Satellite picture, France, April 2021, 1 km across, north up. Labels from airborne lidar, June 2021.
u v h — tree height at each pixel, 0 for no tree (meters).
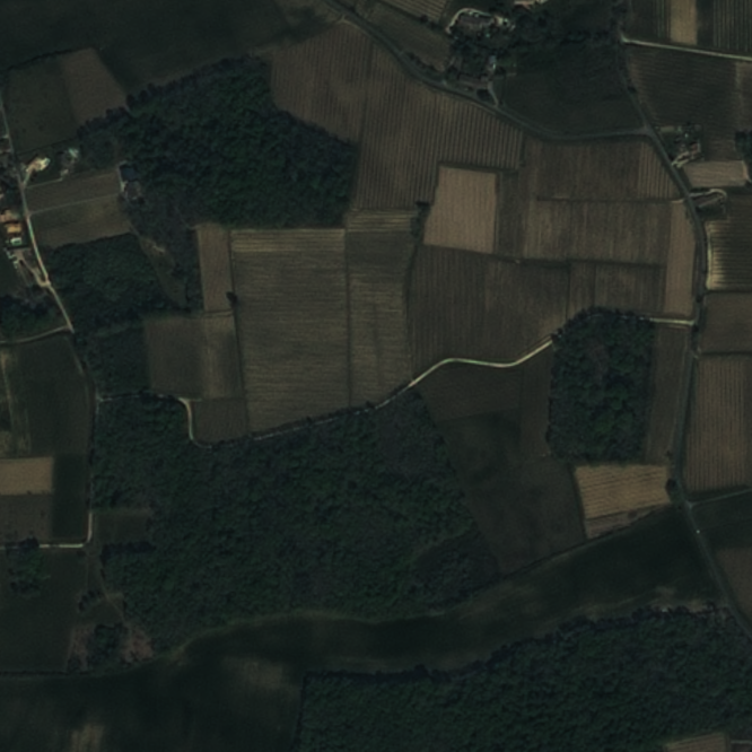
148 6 0
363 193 0
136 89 0
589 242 0
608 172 0
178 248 19
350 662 0
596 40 7
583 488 0
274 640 0
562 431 16
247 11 0
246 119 20
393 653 0
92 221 0
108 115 0
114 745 0
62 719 0
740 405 0
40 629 0
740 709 15
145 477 13
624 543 0
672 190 0
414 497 21
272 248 0
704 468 0
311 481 27
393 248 0
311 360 0
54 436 0
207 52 0
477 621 0
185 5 0
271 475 22
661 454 0
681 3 0
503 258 0
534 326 0
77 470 0
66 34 0
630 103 0
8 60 0
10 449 0
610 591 0
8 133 0
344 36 0
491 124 0
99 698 0
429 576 7
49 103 0
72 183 0
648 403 22
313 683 14
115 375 8
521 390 0
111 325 10
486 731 24
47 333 0
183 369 0
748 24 0
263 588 22
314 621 0
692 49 0
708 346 0
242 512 23
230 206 19
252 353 0
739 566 0
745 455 0
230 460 15
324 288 0
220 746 0
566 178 0
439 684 22
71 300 9
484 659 0
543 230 0
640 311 0
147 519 0
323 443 18
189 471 17
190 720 0
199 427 0
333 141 19
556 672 21
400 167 0
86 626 0
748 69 0
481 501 0
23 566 22
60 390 0
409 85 0
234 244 0
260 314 0
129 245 7
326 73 0
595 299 0
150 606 21
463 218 0
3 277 0
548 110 0
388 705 22
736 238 0
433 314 0
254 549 22
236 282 0
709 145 0
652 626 20
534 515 0
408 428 16
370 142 0
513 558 0
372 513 15
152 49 0
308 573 17
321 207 16
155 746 0
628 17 16
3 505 0
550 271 0
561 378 18
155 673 0
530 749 21
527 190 0
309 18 0
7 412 0
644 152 0
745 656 12
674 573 0
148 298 10
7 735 0
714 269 0
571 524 0
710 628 17
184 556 22
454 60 9
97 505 11
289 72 0
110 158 17
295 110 0
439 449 19
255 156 26
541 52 6
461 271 0
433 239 0
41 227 0
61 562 0
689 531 0
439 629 0
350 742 22
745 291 0
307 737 18
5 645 0
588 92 0
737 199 0
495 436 0
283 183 23
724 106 0
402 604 20
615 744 21
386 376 0
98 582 0
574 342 20
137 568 20
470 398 0
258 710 0
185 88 16
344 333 0
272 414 0
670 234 0
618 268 0
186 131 16
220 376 0
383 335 0
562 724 18
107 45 0
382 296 0
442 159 0
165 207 14
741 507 0
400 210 0
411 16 0
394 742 20
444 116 0
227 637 0
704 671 18
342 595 17
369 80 0
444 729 21
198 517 19
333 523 27
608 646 18
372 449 24
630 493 0
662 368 0
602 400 20
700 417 0
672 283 0
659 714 17
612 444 8
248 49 0
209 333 0
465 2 0
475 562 10
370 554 18
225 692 0
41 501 0
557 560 0
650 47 0
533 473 0
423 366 0
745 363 0
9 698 0
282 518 23
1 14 0
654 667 17
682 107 0
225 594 21
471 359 0
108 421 18
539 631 0
